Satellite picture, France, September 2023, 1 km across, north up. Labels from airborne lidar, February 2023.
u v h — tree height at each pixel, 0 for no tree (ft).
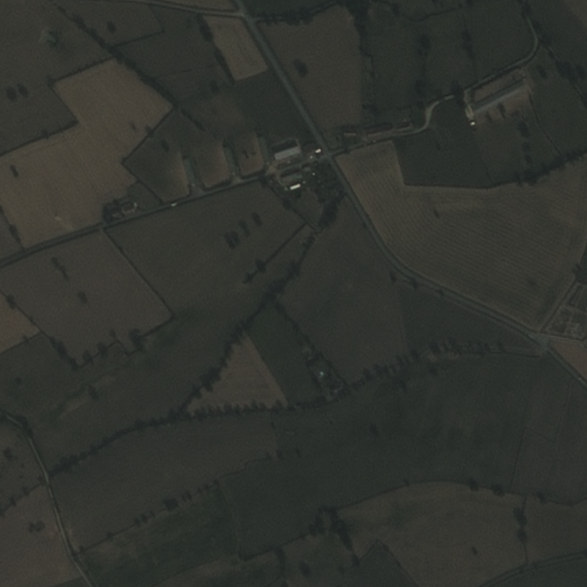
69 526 0
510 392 0
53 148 0
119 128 0
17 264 0
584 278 0
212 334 0
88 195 0
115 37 0
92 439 0
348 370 0
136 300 0
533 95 0
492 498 0
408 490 0
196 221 0
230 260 0
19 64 0
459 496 0
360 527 0
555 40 0
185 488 0
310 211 0
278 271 0
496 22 0
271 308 0
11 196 0
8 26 0
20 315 0
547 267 0
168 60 0
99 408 0
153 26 0
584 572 0
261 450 0
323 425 0
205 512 0
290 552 0
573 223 0
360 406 0
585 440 0
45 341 0
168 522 0
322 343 0
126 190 0
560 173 0
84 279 0
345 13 0
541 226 0
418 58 0
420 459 0
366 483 0
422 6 0
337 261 0
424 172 0
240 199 0
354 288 0
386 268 0
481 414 0
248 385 0
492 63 0
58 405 0
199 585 0
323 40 0
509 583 0
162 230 0
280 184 0
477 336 0
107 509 0
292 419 0
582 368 0
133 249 0
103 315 0
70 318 0
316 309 0
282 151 0
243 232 48
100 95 0
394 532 0
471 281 0
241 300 0
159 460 0
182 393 0
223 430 0
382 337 0
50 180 0
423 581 0
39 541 0
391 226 0
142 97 0
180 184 0
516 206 0
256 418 0
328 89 0
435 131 0
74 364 55
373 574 0
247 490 0
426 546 0
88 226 0
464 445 0
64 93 0
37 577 0
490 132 0
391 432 0
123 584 0
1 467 0
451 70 0
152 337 0
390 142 0
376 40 0
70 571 0
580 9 0
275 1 0
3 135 0
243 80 0
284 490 0
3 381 0
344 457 0
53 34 0
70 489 0
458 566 0
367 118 0
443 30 0
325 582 0
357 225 0
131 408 0
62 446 0
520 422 0
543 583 0
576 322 0
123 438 0
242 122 0
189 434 0
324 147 0
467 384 0
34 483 0
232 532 0
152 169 0
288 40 0
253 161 0
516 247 0
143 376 0
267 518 0
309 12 40
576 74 33
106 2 0
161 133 0
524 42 0
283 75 0
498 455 0
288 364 0
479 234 0
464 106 27
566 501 0
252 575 0
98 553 0
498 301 0
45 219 0
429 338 0
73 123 25
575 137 0
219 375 29
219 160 0
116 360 0
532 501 0
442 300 0
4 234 0
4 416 30
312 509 0
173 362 0
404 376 0
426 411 0
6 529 0
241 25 0
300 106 0
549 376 0
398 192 0
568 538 0
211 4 0
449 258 0
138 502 0
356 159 0
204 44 0
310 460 0
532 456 0
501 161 0
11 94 46
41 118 0
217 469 0
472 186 0
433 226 0
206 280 0
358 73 0
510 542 0
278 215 0
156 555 0
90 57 0
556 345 0
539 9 0
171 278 0
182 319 0
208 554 0
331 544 0
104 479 0
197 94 0
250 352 0
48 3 0
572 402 0
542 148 0
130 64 22
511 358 0
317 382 43
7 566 0
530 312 0
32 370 0
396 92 0
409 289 0
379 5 0
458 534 0
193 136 0
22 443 0
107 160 0
